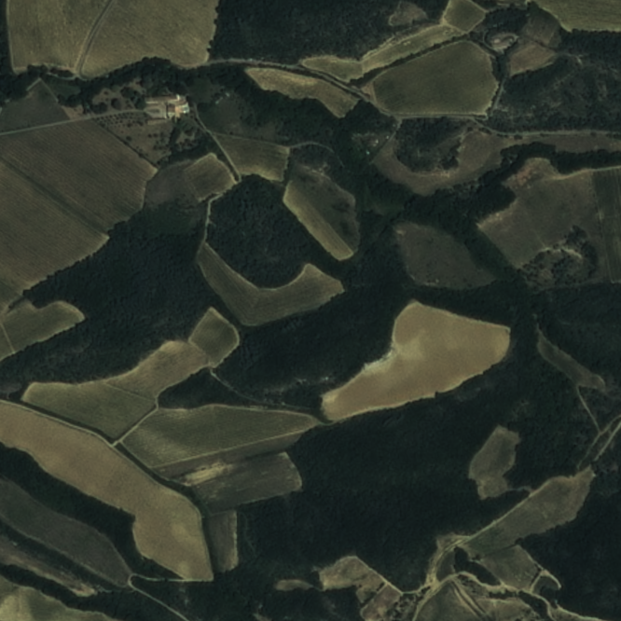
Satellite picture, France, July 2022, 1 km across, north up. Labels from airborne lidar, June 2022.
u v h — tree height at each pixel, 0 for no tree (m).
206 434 0
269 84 0
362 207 7
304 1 6
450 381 0
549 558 7
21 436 0
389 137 0
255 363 7
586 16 0
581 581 8
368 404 0
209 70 7
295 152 6
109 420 0
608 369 11
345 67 0
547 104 7
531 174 0
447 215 18
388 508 7
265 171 0
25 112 0
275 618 7
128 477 0
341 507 8
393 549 8
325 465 6
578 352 13
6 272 0
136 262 15
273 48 6
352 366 6
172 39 0
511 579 0
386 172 0
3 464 9
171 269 16
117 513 10
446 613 0
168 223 6
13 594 0
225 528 0
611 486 6
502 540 0
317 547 9
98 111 11
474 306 13
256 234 8
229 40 6
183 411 0
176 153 9
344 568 0
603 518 9
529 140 0
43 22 0
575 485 0
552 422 12
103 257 16
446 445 8
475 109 0
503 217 0
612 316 6
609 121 6
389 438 9
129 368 9
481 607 0
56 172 0
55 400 0
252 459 0
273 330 6
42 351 7
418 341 0
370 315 7
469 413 8
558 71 7
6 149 0
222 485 0
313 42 7
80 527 0
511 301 8
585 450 6
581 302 6
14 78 13
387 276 10
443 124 13
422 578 6
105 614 10
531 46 0
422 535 6
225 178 0
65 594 13
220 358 0
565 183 0
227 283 0
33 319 0
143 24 0
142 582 7
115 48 0
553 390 7
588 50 8
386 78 0
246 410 0
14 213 0
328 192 0
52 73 10
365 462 6
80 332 9
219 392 6
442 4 6
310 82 0
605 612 6
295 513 7
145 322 11
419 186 0
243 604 8
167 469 0
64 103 8
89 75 0
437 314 0
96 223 0
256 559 6
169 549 0
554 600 7
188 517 0
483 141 0
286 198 0
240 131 0
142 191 0
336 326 8
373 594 7
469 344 0
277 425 0
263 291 0
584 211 0
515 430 11
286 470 0
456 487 6
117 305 16
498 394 7
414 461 6
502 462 0
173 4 0
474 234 10
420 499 9
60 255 0
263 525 10
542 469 6
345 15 10
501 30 10
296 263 7
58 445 0
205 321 0
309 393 6
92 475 0
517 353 6
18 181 0
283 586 0
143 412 0
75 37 0
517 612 0
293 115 15
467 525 6
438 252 0
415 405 9
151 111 0
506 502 5
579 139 0
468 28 0
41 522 0
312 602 7
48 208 0
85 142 0
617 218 0
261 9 8
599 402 7
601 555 7
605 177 0
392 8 8
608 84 6
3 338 0
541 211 0
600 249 0
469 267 0
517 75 7
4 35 13
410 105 0
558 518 0
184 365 0
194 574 0
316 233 0
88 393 0
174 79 16
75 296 8
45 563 0
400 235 0
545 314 13
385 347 8
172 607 11
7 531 9
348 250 0
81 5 0
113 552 0
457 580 0
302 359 6
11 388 0
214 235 16
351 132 14
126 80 19
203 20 0
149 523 0
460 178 0
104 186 0
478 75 0
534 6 12
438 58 0
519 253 0
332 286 0
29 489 7
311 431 6
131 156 0
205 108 12
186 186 0
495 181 15
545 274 0
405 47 0
